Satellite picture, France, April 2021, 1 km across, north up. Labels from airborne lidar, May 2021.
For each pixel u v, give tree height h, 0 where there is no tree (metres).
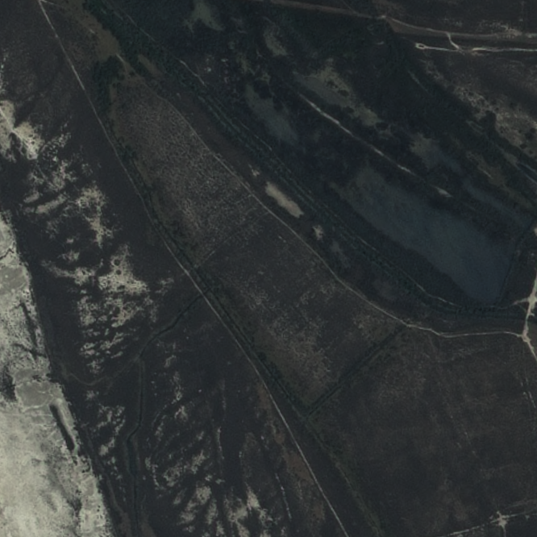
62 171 0
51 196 0
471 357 0
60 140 0
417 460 0
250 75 0
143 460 0
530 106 0
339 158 0
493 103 0
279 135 0
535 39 0
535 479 0
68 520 0
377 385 0
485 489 0
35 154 0
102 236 0
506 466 0
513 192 0
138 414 0
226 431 0
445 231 0
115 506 0
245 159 0
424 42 0
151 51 7
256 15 0
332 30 0
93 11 5
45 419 0
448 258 0
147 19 5
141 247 0
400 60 7
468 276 0
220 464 0
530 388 0
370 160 0
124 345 0
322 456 0
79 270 0
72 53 0
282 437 0
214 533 0
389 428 0
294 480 0
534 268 0
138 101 0
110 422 0
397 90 0
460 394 0
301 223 0
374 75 0
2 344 0
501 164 0
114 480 0
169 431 0
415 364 0
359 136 0
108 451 0
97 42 0
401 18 0
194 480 0
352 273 0
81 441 0
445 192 0
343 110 0
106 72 6
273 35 0
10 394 0
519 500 0
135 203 0
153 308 0
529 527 0
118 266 0
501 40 0
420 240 0
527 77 0
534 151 0
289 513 0
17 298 0
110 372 0
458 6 0
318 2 0
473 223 0
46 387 0
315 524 0
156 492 0
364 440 0
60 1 0
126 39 6
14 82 0
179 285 0
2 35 0
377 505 0
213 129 0
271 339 0
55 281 0
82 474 0
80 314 0
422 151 0
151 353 0
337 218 0
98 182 0
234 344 0
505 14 0
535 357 0
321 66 0
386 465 0
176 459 0
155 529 0
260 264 0
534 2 0
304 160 0
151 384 0
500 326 0
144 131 0
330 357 0
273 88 0
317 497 0
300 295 0
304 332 0
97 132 0
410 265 6
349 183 0
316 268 0
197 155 0
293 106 0
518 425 0
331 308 0
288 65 0
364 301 0
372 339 0
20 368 0
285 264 0
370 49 0
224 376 0
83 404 0
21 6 0
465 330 0
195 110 0
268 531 0
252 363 0
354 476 0
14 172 0
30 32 0
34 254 0
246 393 0
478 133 0
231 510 0
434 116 0
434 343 0
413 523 0
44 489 0
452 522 0
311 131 0
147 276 0
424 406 0
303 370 0
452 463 0
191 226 0
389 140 0
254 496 0
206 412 0
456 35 0
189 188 0
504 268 0
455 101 0
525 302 0
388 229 0
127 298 0
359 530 0
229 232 0
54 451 0
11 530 0
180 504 0
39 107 0
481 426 0
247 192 0
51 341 0
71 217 0
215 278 0
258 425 0
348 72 0
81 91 0
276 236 0
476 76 0
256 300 0
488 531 0
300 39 6
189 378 0
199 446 0
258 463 0
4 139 0
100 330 0
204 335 0
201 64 0
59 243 0
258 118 0
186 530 0
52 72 0
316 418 0
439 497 0
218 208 0
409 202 0
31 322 0
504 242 0
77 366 0
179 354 0
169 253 0
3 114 0
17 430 0
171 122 0
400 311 0
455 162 0
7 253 0
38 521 0
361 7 6
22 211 0
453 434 0
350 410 0
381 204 0
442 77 0
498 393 0
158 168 0
